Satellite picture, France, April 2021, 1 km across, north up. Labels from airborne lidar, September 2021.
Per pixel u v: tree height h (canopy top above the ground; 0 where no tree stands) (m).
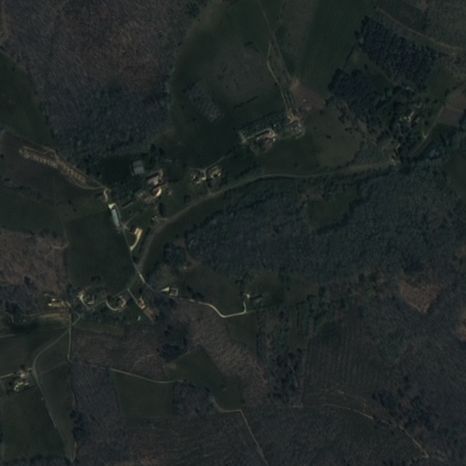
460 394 21
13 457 0
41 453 0
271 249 12
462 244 21
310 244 17
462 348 20
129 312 0
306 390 6
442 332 21
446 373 21
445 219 11
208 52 0
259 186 17
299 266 17
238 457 6
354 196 0
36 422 0
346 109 14
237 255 18
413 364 12
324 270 14
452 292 14
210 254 16
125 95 25
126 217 0
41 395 0
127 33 18
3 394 18
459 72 10
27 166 0
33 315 10
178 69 0
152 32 16
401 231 18
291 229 16
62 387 0
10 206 0
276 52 10
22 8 17
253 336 0
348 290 20
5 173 0
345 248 27
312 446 10
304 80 0
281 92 0
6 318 0
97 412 16
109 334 6
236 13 0
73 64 19
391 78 15
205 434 7
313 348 6
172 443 0
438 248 16
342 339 7
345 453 8
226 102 0
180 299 9
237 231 16
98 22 7
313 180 9
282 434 11
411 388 17
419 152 0
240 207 14
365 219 20
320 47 0
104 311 8
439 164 17
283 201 20
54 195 0
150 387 0
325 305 11
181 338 6
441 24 14
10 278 17
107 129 21
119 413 11
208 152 0
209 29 0
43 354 0
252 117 0
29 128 0
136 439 6
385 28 17
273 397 11
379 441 16
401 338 22
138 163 0
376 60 14
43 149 0
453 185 0
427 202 12
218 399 0
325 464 8
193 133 0
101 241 0
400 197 18
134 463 19
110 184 5
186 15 14
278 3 0
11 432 0
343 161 0
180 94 0
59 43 15
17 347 0
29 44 15
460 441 24
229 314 0
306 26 0
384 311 19
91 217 0
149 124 20
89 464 11
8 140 0
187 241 17
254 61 0
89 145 20
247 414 8
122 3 15
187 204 15
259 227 17
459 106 0
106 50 19
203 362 0
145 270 0
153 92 7
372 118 20
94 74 9
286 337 10
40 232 0
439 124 0
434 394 17
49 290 18
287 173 0
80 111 26
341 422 6
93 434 11
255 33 0
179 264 16
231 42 0
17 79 0
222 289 0
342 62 0
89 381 21
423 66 15
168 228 0
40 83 20
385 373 8
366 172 8
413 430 8
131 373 0
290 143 0
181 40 22
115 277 0
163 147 0
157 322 18
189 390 12
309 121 0
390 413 23
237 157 7
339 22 0
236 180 15
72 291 10
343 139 0
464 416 19
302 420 11
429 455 10
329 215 0
